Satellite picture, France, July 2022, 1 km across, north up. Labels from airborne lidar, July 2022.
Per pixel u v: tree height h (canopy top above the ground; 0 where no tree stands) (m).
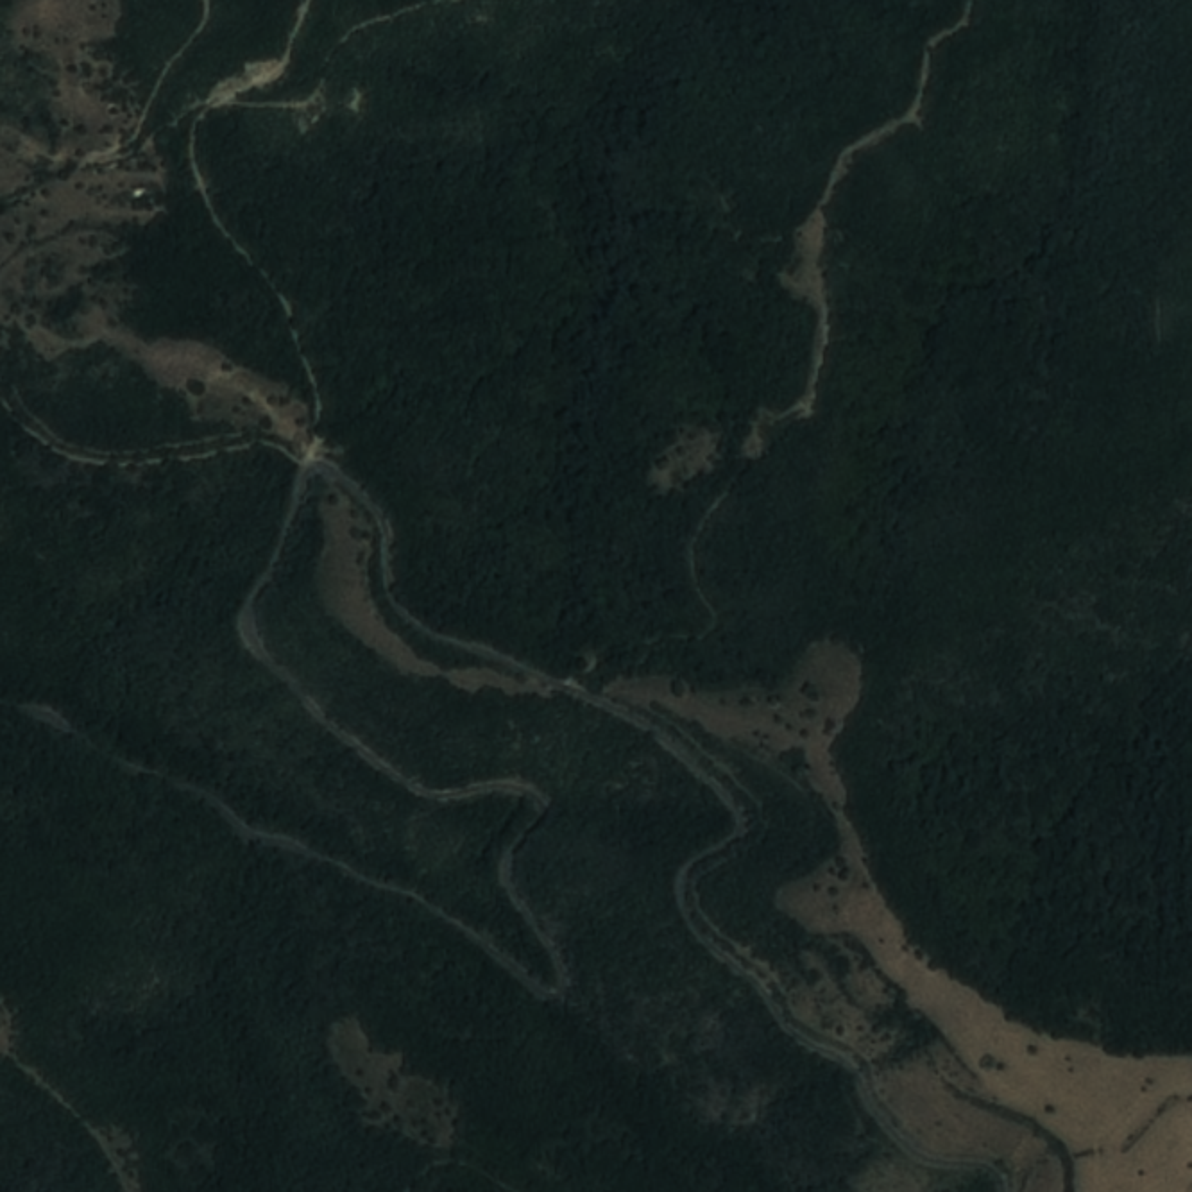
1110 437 7
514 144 9
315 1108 7
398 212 11
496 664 8
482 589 10
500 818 7
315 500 9
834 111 10
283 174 10
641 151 6
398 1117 9
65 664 19
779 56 10
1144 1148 0
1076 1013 6
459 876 7
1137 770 14
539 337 21
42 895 9
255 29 6
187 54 6
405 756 7
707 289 6
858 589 8
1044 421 9
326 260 9
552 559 6
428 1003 6
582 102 13
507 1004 9
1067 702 15
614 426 11
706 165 7
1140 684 11
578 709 7
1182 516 6
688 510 5
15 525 7
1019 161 9
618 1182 10
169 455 9
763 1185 13
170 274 11
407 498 11
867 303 7
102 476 11
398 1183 6
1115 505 7
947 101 8
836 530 6
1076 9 15
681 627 8
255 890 11
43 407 6
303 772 6
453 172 7
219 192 7
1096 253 8
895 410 7
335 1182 9
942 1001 0
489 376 7
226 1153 18
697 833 9
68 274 0
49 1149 8
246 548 8
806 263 0
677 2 10
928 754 6
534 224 15
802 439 6
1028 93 10
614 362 9
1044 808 12
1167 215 7
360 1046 0
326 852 9
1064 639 8
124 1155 7
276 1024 6
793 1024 6
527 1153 10
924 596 7
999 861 6
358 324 7
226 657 7
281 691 10
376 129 11
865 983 0
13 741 11
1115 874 12
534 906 8
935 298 11
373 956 8
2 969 8
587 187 18
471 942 14
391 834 8
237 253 9
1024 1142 0
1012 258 9
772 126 6
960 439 5
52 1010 7
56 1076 5
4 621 12
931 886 17
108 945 8
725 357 13
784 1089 6
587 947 7
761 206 10
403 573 15
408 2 9
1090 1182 0
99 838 10
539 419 12
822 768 0
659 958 7
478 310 7
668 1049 7
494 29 7
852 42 12
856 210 5
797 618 6
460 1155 7
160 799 11
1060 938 13
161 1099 12
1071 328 7
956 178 8
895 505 7
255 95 8
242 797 12
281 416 0
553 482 11
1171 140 7
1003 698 10
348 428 11
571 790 6
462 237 8
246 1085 14
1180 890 9
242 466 8
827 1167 8
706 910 6
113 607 10
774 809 8
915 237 14
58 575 8
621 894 7
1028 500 7
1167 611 8
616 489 7
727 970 7
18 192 6
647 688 0
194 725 11
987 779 13
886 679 6
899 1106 0
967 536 5
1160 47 7
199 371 0
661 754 7
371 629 0
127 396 7
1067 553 15
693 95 11
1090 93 11
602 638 6
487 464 5
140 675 11
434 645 9
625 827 9
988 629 6
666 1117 6
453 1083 10
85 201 0
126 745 14
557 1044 12
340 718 6
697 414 8
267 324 8
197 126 8
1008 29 6
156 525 8
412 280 7
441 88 12
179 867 7
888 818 11
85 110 0
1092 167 7
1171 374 7
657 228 12
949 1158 0
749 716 0
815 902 0
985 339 9
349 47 10
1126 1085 0
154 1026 7
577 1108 13
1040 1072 0
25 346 6
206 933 9
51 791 12
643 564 10
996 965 6
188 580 5
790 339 7
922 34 9
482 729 10
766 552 6
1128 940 10
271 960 8
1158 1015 10
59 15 0
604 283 6
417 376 10
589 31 9
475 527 8
